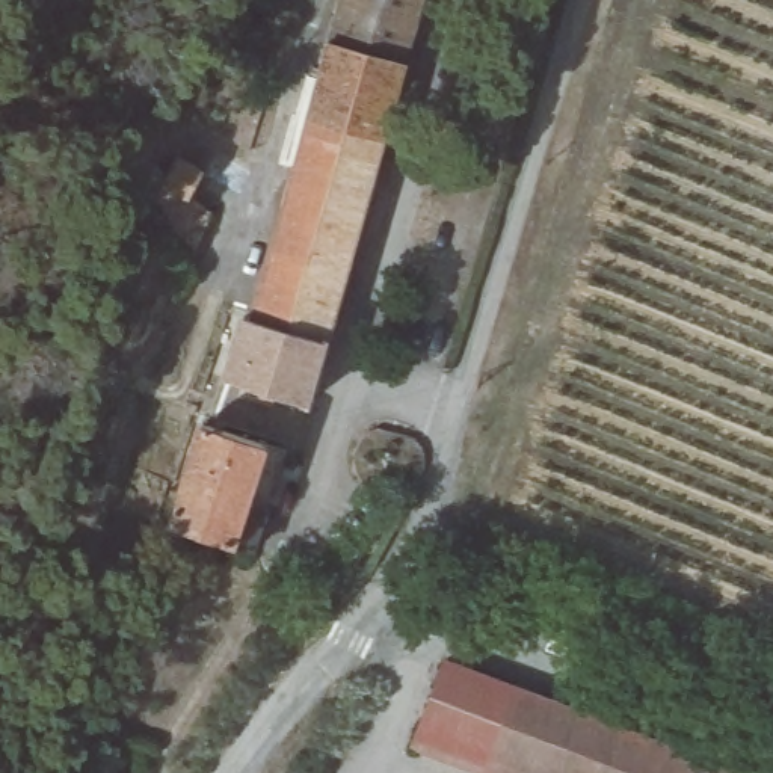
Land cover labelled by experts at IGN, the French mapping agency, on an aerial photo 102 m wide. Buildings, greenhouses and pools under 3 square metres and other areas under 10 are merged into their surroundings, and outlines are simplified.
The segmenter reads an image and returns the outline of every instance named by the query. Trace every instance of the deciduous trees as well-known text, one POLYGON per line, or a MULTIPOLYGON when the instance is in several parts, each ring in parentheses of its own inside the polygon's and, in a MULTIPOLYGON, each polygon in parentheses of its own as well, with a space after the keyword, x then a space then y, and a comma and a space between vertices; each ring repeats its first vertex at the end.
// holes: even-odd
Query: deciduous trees
POLYGON ((347 347, 347 371, 359 371, 365 380, 390 387, 405 383, 408 374, 417 368, 408 341, 414 338, 414 323, 423 314, 420 290, 408 284, 405 266, 396 263, 383 269, 387 284, 374 284, 371 290, 374 308, 387 317, 383 326, 359 320, 350 329, 347 347))
POLYGON ((263 574, 254 586, 254 628, 269 625, 302 652, 314 646, 338 616, 344 616, 362 598, 365 586, 371 583, 365 568, 371 544, 393 544, 399 528, 405 528, 411 516, 405 510, 402 483, 390 480, 387 471, 368 474, 353 489, 350 510, 326 528, 320 540, 305 540, 299 534, 278 553, 269 574, 263 574))
POLYGON ((299 749, 296 758, 287 764, 287 773, 338 773, 350 752, 371 734, 377 713, 390 710, 393 694, 402 688, 399 673, 387 664, 350 667, 326 688, 326 694, 311 707, 311 713, 302 722, 308 728, 308 740, 305 749, 299 749))
POLYGON ((598 725, 601 731, 616 734, 628 743, 643 743, 646 737, 658 740, 670 746, 676 758, 688 761, 691 770, 701 773, 773 773, 773 625, 761 634, 749 634, 743 619, 707 616, 688 601, 658 592, 643 577, 619 577, 616 571, 607 571, 598 559, 559 562, 556 547, 547 540, 522 544, 513 537, 507 544, 495 544, 492 531, 480 531, 471 519, 462 519, 450 531, 438 534, 432 534, 426 525, 414 531, 405 550, 393 556, 393 565, 383 571, 387 613, 408 649, 417 649, 429 637, 444 637, 447 655, 456 664, 477 670, 477 661, 486 661, 492 655, 516 661, 519 652, 537 652, 537 640, 553 640, 553 698, 568 704, 568 713, 577 722, 598 725))

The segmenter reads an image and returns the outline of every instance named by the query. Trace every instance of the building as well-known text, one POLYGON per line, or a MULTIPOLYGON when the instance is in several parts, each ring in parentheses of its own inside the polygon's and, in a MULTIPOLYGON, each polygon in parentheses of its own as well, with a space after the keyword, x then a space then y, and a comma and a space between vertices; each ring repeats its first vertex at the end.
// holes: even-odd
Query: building
POLYGON ((628 743, 616 734, 601 731, 598 725, 577 722, 568 713, 568 704, 553 698, 525 691, 519 685, 492 679, 477 670, 456 664, 447 655, 438 661, 423 713, 411 725, 405 752, 417 749, 420 758, 447 755, 450 764, 468 767, 471 773, 701 773, 691 770, 688 761, 676 758, 670 746, 658 740, 646 737, 643 743, 628 743))
POLYGON ((326 344, 290 338, 248 323, 233 347, 229 374, 245 380, 248 396, 260 402, 311 411, 314 387, 326 359, 326 344))
POLYGON ((202 444, 193 444, 172 510, 172 516, 187 519, 190 540, 217 547, 220 553, 248 553, 248 544, 263 531, 275 486, 275 477, 263 468, 263 447, 229 435, 208 435, 202 444))
POLYGON ((402 94, 402 63, 338 48, 332 45, 332 36, 347 33, 365 42, 411 45, 423 15, 426 0, 314 0, 314 18, 302 30, 305 42, 320 48, 317 66, 311 72, 317 88, 311 97, 296 163, 287 172, 290 187, 281 208, 281 226, 269 242, 266 281, 257 287, 257 308, 263 314, 293 323, 314 323, 326 329, 335 326, 383 148, 383 115, 402 94))

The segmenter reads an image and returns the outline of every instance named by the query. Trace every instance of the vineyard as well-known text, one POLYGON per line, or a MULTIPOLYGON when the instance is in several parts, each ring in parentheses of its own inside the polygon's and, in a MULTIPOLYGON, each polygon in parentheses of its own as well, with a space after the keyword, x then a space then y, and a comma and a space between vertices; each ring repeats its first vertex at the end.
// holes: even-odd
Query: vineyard
POLYGON ((604 245, 592 245, 583 251, 583 263, 592 266, 589 284, 571 287, 571 308, 580 314, 580 320, 610 329, 613 335, 610 341, 583 338, 586 353, 580 353, 577 359, 571 353, 556 353, 550 365, 568 371, 562 393, 544 390, 537 396, 537 405, 544 411, 553 411, 550 429, 571 435, 568 444, 540 441, 540 465, 568 474, 568 483, 562 486, 559 480, 544 480, 540 489, 522 507, 483 495, 462 498, 438 510, 438 519, 426 525, 432 534, 438 534, 450 531, 462 519, 471 519, 480 531, 492 531, 495 544, 507 544, 513 537, 522 544, 547 540, 556 547, 559 562, 598 559, 607 571, 616 571, 619 577, 643 577, 658 592, 688 601, 707 616, 743 619, 749 634, 761 634, 773 625, 773 0, 676 0, 676 21, 658 24, 652 36, 655 45, 667 45, 661 51, 661 66, 652 75, 640 79, 637 94, 625 103, 625 112, 631 115, 625 121, 625 133, 637 133, 631 154, 613 154, 613 169, 625 169, 625 190, 607 181, 601 184, 601 193, 595 199, 592 217, 598 223, 616 226, 610 229, 604 245))

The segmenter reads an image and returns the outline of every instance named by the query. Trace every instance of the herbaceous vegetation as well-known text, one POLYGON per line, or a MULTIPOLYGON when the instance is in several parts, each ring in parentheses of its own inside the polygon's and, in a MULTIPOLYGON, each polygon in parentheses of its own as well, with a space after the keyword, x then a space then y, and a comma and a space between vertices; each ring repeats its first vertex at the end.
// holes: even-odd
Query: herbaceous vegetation
POLYGON ((625 133, 625 121, 631 115, 625 112, 625 103, 637 94, 640 79, 652 75, 661 66, 661 51, 667 45, 655 45, 652 36, 658 24, 676 21, 676 0, 598 0, 595 33, 589 39, 586 57, 580 66, 562 72, 553 121, 544 130, 544 136, 550 139, 547 157, 537 172, 534 196, 525 214, 519 248, 477 374, 471 414, 462 432, 462 498, 483 495, 522 507, 540 489, 544 480, 559 480, 562 486, 568 483, 568 474, 540 465, 540 441, 568 444, 571 435, 550 429, 553 411, 544 411, 537 405, 537 396, 544 390, 562 393, 568 371, 550 365, 556 353, 571 353, 577 359, 580 353, 586 353, 583 338, 610 341, 613 335, 610 329, 580 320, 580 314, 571 308, 571 287, 589 284, 592 266, 583 263, 583 251, 592 245, 604 245, 610 229, 616 226, 598 223, 592 217, 595 199, 601 193, 601 184, 607 181, 625 190, 625 169, 613 169, 613 154, 631 154, 637 133, 625 133))
POLYGON ((308 728, 302 722, 296 722, 293 731, 281 740, 281 746, 272 749, 260 773, 287 773, 287 764, 296 758, 299 749, 305 749, 308 740, 308 728))

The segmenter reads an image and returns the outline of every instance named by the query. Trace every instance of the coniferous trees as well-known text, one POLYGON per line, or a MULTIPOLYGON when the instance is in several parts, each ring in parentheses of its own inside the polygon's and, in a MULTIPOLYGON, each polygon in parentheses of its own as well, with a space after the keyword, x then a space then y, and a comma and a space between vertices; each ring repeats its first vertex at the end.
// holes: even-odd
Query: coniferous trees
POLYGON ((513 48, 510 39, 522 33, 528 24, 534 30, 550 27, 550 0, 426 0, 423 15, 432 18, 435 27, 429 48, 438 54, 435 63, 456 75, 462 112, 483 109, 489 118, 504 121, 525 112, 525 79, 531 69, 528 54, 522 48, 513 48))
POLYGON ((163 649, 172 664, 199 664, 214 643, 220 643, 220 631, 233 616, 233 571, 248 571, 260 559, 248 553, 220 553, 217 547, 190 540, 187 519, 172 516, 172 510, 151 504, 142 495, 133 498, 130 489, 136 486, 139 456, 163 432, 163 426, 154 420, 160 408, 157 390, 166 374, 178 368, 181 350, 187 347, 190 332, 196 326, 199 311, 193 305, 193 293, 217 266, 214 236, 223 217, 226 166, 236 160, 233 118, 242 112, 275 109, 275 103, 287 91, 296 91, 302 79, 311 72, 317 66, 320 48, 305 42, 302 30, 314 18, 314 0, 0 0, 0 773, 160 773, 169 731, 145 725, 139 707, 163 713, 175 707, 178 694, 154 691, 148 685, 154 679, 154 661, 148 649, 163 649))
POLYGON ((435 184, 444 193, 465 193, 474 187, 489 172, 477 163, 477 148, 453 130, 453 124, 438 121, 432 109, 414 106, 402 94, 383 115, 383 148, 396 151, 396 166, 405 181, 417 181, 426 187, 435 184))

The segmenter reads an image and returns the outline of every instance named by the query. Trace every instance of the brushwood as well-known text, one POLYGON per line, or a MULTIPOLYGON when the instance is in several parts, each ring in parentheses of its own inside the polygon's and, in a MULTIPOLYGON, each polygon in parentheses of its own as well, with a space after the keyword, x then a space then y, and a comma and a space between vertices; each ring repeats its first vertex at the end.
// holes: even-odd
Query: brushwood
POLYGON ((462 302, 453 305, 456 320, 447 344, 441 347, 441 353, 447 356, 447 371, 456 371, 462 365, 477 323, 480 299, 492 272, 492 260, 504 236, 516 181, 522 175, 516 163, 501 163, 501 169, 489 172, 474 187, 492 181, 495 187, 501 187, 501 196, 492 205, 474 257, 468 296, 462 296, 462 302))
POLYGON ((239 734, 260 710, 260 704, 272 694, 281 673, 299 661, 302 652, 269 625, 254 628, 254 634, 248 634, 248 640, 242 643, 239 661, 233 661, 226 673, 217 679, 217 691, 208 698, 208 704, 190 725, 190 734, 178 743, 175 761, 193 773, 214 773, 223 758, 223 749, 229 749, 239 740, 239 734))

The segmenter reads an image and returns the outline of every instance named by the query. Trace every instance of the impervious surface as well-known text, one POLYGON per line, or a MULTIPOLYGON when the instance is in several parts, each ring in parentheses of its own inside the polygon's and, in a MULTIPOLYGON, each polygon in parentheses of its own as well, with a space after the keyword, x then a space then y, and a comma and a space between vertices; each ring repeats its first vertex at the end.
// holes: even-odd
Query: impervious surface
POLYGON ((477 670, 492 679, 519 685, 525 691, 553 698, 553 640, 537 640, 537 652, 519 652, 516 661, 492 655, 486 661, 477 661, 477 670))
POLYGON ((516 163, 522 175, 516 181, 504 236, 492 260, 492 272, 480 299, 477 323, 462 365, 456 371, 447 371, 447 356, 441 353, 441 347, 447 344, 456 320, 453 305, 462 302, 462 296, 468 296, 474 257, 492 205, 501 196, 501 187, 495 187, 492 181, 474 187, 465 193, 444 193, 435 184, 426 187, 417 181, 405 181, 396 166, 396 151, 383 148, 335 326, 326 329, 314 323, 293 323, 263 314, 257 308, 257 287, 266 281, 269 242, 281 226, 281 208, 290 187, 287 172, 296 163, 311 97, 317 88, 311 72, 302 79, 296 91, 287 91, 275 103, 275 109, 242 112, 233 118, 236 160, 226 166, 223 217, 214 236, 217 266, 193 293, 193 305, 199 311, 196 326, 190 332, 187 347, 181 350, 178 368, 166 374, 157 390, 160 408, 154 420, 163 426, 163 432, 139 456, 136 486, 130 489, 133 498, 142 495, 151 504, 172 510, 193 444, 202 444, 208 435, 229 435, 263 447, 263 468, 275 477, 275 486, 263 531, 248 544, 248 553, 260 559, 248 571, 233 571, 233 616, 220 631, 220 643, 214 643, 199 664, 172 664, 163 649, 148 649, 154 661, 154 679, 148 685, 154 691, 178 694, 175 707, 163 713, 139 707, 145 725, 169 731, 160 773, 193 773, 175 761, 178 743, 190 734, 190 725, 208 704, 208 698, 217 691, 217 679, 226 673, 233 661, 239 661, 242 643, 248 640, 248 634, 254 634, 254 628, 254 586, 263 574, 269 574, 278 553, 299 534, 305 540, 320 540, 326 528, 350 510, 353 489, 368 474, 387 471, 390 480, 402 483, 405 510, 411 516, 405 528, 399 528, 393 544, 371 544, 365 568, 371 583, 365 586, 362 598, 344 616, 338 616, 314 646, 302 652, 299 661, 281 673, 272 694, 260 704, 260 710, 239 734, 239 740, 229 749, 223 749, 223 758, 214 773, 260 773, 272 749, 281 746, 281 740, 293 731, 296 722, 302 722, 311 713, 311 707, 326 694, 326 688, 350 667, 387 664, 399 673, 402 688, 393 694, 390 710, 377 713, 371 734, 350 752, 338 773, 471 773, 468 767, 450 764, 447 755, 420 758, 417 749, 405 752, 411 725, 423 713, 438 661, 447 655, 444 637, 429 637, 417 649, 408 649, 387 613, 383 571, 393 565, 393 556, 405 550, 414 531, 426 525, 438 519, 438 510, 462 498, 462 432, 471 414, 477 374, 519 248, 525 214, 534 196, 537 172, 547 157, 550 139, 544 136, 544 130, 553 121, 562 72, 580 66, 586 57, 589 39, 595 33, 598 0, 550 0, 550 27, 534 30, 528 24, 522 33, 510 39, 513 48, 522 48, 528 54, 531 69, 525 79, 525 112, 504 121, 489 118, 483 109, 462 112, 456 75, 435 63, 438 54, 429 48, 435 27, 432 18, 423 15, 411 45, 365 42, 347 33, 332 36, 332 45, 338 48, 402 63, 402 94, 414 106, 432 109, 438 121, 453 124, 453 130, 477 148, 477 163, 489 172, 501 169, 501 163, 516 163), (408 374, 405 383, 390 387, 365 380, 359 371, 347 371, 347 347, 350 329, 359 320, 383 326, 387 317, 374 308, 371 290, 374 284, 387 284, 383 269, 396 263, 405 266, 408 284, 420 290, 423 314, 414 323, 414 338, 408 341, 417 368, 408 374), (314 387, 311 411, 260 402, 248 396, 245 380, 229 374, 233 347, 248 323, 290 338, 326 344, 326 359, 314 387))

